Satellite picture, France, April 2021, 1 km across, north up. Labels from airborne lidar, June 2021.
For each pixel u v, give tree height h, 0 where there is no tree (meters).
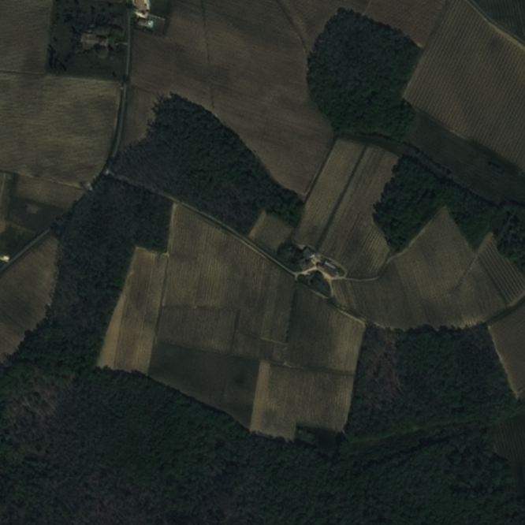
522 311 0
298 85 0
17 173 0
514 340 0
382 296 0
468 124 0
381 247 0
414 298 0
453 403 23
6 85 0
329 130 0
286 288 0
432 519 23
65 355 24
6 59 0
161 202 23
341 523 19
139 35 0
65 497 13
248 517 14
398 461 17
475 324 0
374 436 24
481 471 27
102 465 13
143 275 0
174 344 0
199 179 13
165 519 7
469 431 12
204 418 19
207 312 0
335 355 0
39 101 0
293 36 0
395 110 25
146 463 20
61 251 19
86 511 14
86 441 17
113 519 6
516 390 0
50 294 0
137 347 0
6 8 0
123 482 15
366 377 16
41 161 0
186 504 12
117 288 25
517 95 0
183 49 0
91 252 24
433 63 0
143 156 17
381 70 21
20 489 21
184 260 0
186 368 0
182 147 22
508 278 0
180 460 27
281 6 0
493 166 10
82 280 18
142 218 23
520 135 0
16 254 0
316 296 0
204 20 0
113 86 0
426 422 21
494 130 0
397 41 20
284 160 0
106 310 16
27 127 0
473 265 0
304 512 17
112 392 17
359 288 0
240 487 21
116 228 20
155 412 15
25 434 12
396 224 21
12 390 23
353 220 0
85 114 0
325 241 0
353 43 23
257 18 0
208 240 0
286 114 0
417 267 0
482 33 0
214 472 21
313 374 0
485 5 0
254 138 0
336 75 19
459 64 0
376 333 15
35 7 0
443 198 22
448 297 0
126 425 21
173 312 0
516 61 0
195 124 26
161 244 23
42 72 0
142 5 0
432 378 20
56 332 20
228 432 18
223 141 21
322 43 18
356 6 0
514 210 12
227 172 24
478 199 22
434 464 19
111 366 0
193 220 0
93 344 19
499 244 7
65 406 14
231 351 0
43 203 0
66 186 0
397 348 11
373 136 10
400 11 0
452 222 0
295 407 0
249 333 0
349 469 19
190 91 0
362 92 18
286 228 0
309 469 23
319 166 0
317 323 0
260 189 20
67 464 8
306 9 0
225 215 12
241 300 0
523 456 0
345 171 0
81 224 21
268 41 0
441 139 0
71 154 0
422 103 0
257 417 0
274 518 21
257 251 0
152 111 0
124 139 0
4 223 0
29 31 0
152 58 0
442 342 23
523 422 0
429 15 0
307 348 0
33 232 0
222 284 0
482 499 24
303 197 0
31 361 26
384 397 15
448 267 0
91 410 17
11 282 0
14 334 0
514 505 29
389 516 21
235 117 0
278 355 0
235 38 0
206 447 24
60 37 0
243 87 0
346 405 0
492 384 16
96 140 0
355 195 0
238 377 0
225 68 0
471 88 0
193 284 0
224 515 10
